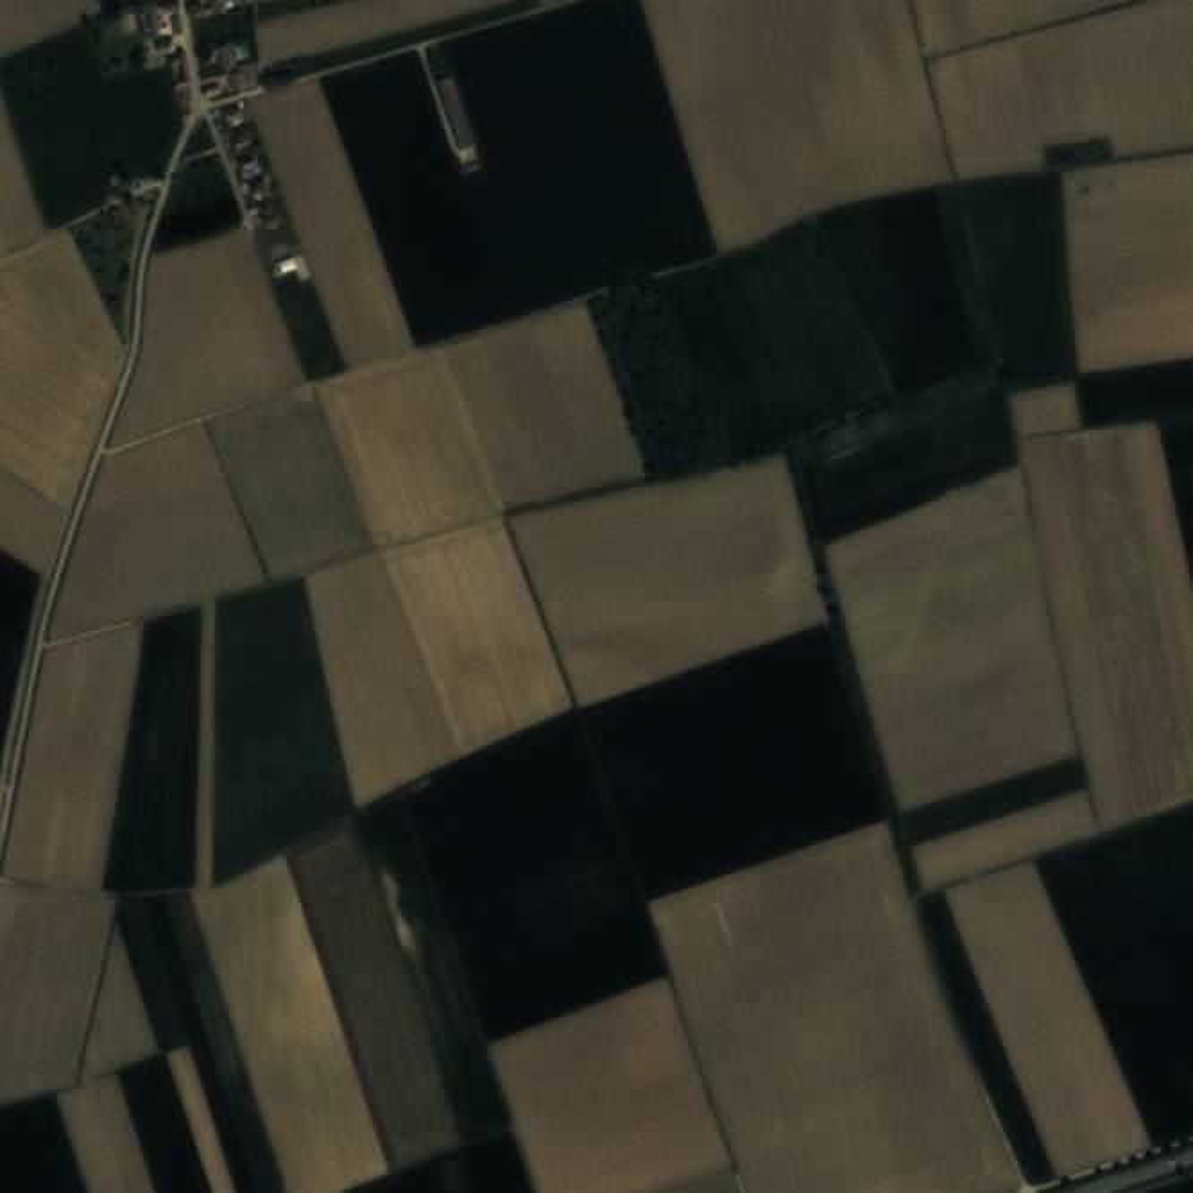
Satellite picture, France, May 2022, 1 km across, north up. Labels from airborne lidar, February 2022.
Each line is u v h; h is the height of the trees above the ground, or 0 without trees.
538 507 0
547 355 0
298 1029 0
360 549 0
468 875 0
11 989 0
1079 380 0
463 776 0
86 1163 0
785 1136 0
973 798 0
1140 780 0
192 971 0
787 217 0
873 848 0
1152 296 0
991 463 0
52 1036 0
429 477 0
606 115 0
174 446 0
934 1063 0
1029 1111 0
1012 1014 0
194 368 0
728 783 0
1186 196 0
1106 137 0
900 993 0
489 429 0
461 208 0
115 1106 0
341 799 0
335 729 0
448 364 0
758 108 0
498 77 0
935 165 0
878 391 0
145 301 0
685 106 0
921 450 0
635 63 0
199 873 0
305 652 0
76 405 0
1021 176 0
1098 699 0
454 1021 0
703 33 0
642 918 0
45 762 0
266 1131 0
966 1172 0
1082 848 0
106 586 0
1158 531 0
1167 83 0
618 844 0
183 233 0
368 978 0
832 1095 0
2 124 0
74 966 0
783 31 0
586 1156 0
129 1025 0
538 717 0
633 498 0
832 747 0
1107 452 0
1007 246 0
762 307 0
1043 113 0
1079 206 0
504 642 0
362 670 0
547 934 0
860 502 0
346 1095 0
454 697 0
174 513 0
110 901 0
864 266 0
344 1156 0
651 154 0
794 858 0
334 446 0
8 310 0
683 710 0
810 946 0
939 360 0
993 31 0
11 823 0
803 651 0
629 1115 0
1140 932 0
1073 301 0
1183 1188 0
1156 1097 0
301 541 0
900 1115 0
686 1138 0
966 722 0
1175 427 0
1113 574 0
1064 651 0
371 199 0
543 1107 0
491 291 0
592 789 0
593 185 0
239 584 0
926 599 0
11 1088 0
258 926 0
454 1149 0
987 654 0
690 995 0
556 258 0
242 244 0
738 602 0
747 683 0
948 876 0
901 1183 0
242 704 0
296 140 0
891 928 0
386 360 0
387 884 0
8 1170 0
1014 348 0
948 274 0
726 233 0
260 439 0
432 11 0
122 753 0
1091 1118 0
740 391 0
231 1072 0
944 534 0
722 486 0
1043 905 0
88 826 0
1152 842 0
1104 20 0
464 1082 0
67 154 0
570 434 0
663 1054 0
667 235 0
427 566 0
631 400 20
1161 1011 0
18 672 0
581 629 0
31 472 0
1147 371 0
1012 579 0
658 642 0
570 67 0
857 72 0
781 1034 0
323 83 0
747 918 0
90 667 0
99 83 0
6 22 0
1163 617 0
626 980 0
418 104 0
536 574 0
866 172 0
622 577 0
